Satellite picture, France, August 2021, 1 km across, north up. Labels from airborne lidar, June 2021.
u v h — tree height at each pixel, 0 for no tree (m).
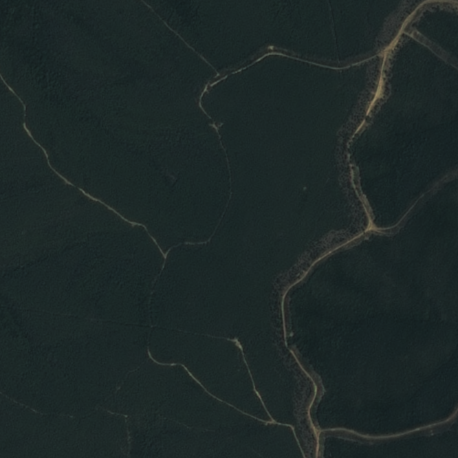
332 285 6
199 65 6
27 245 6
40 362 7
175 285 8
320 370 7
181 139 7
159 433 7
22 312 5
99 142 7
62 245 6
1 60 6
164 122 6
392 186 7
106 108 6
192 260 7
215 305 6
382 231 0
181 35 6
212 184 6
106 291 6
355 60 0
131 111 6
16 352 7
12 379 6
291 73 6
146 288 7
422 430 0
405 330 6
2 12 8
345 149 7
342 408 5
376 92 0
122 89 6
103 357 6
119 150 6
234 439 5
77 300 6
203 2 6
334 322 7
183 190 8
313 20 6
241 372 5
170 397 6
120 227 5
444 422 0
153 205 6
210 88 7
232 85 6
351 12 6
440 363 6
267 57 6
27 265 8
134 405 6
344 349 5
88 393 6
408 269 6
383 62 0
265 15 6
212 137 7
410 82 6
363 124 0
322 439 0
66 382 6
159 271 7
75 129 6
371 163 6
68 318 5
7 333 9
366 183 6
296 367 8
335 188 6
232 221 6
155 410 7
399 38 0
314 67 6
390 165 8
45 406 6
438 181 0
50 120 7
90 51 6
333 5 7
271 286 7
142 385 5
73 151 5
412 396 6
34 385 7
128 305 8
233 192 7
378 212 7
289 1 7
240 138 6
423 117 6
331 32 7
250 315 6
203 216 5
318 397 0
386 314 6
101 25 6
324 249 6
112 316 8
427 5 0
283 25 8
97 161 6
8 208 5
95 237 6
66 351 6
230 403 6
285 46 7
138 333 7
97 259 8
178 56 6
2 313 7
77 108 10
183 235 5
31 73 8
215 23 6
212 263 6
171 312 6
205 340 7
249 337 6
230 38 6
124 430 5
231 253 5
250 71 6
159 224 5
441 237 6
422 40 0
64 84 6
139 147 6
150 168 6
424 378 7
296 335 8
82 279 6
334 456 9
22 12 7
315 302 5
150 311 6
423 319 6
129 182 6
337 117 6
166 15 6
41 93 7
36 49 9
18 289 6
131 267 8
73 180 6
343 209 7
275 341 6
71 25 6
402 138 8
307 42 7
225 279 6
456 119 6
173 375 6
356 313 6
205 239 5
